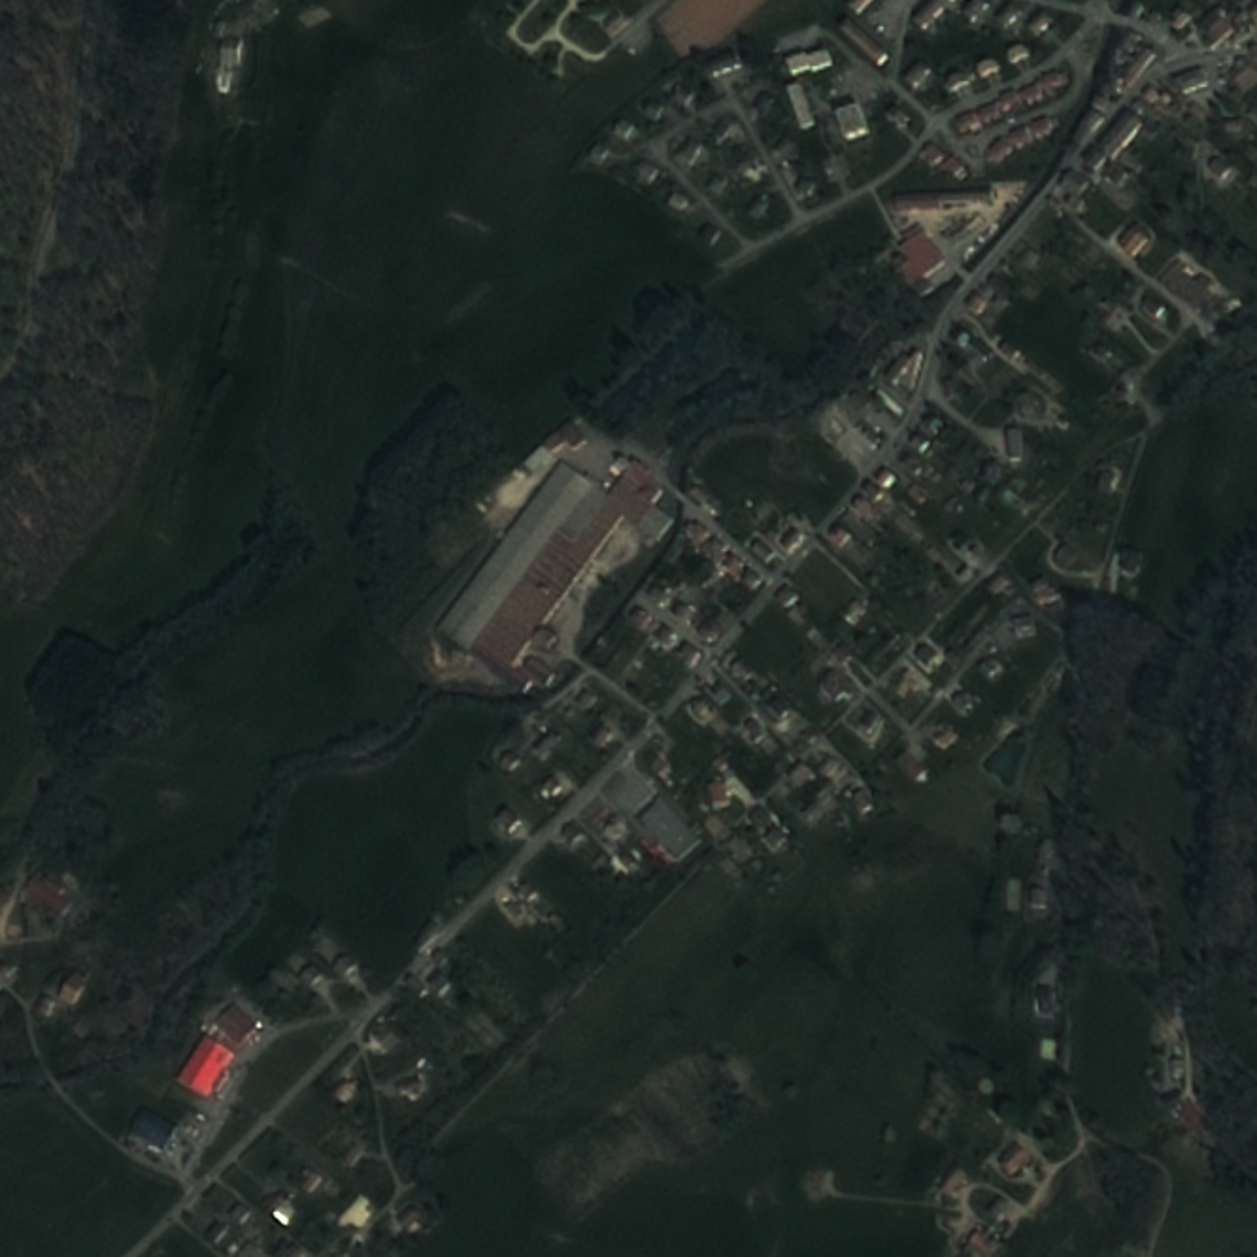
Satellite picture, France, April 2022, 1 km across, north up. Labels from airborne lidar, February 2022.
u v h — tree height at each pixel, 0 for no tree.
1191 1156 0
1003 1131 0
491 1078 13
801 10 0
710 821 0
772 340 0
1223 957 9
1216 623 22
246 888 20
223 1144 0
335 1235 10
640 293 0
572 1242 0
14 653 0
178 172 0
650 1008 0
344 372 0
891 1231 0
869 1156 0
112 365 38
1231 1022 0
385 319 0
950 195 0
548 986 0
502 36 0
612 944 13
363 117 0
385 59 0
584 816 0
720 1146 0
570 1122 0
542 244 0
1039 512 0
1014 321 0
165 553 0
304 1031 0
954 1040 0
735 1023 0
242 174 0
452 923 0
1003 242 0
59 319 33
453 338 0
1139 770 0
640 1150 0
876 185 0
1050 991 0
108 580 0
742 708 0
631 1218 0
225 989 0
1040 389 0
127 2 26
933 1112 0
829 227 0
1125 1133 0
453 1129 0
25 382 32
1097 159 0
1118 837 0
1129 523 0
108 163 14
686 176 0
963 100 0
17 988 0
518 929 0
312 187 0
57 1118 0
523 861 0
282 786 11
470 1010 17
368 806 0
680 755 0
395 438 0
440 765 0
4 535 38
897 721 0
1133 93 0
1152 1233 17
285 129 0
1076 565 5
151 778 0
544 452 0
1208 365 19
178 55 30
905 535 0
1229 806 29
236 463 0
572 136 0
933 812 0
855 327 24
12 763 0
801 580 0
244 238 0
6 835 16
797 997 0
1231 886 34
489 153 0
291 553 24
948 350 11
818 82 0
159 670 20
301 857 0
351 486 0
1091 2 0
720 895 0
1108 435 0
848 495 0
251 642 0
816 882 0
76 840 19
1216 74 0
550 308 0
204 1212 0
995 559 0
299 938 0
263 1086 0
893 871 0
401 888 0
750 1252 0
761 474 0
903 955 0
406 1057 0
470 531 0
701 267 0
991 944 26
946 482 0
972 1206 0
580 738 0
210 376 0
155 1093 0
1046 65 0
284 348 0
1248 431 0
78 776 16
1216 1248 0
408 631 0
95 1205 0
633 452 0
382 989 0
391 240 0
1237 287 0
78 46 0
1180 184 0
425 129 0
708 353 20
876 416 0
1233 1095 22
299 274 0
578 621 0
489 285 0
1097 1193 0
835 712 0
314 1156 0
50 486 38
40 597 30
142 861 0
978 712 0
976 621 0
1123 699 34
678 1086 0
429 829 0
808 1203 0
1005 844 9
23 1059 0
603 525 0
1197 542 0
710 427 20
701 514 0
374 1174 14
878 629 0
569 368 0
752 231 0
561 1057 0
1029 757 0
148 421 31
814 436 0
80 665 28
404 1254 0
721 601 0
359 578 0
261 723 0
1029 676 0
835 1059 0
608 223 0
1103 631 35
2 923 0
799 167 7
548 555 0
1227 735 32
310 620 0
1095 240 0
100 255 38
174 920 0
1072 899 30
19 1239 0
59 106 33
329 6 0
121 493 31
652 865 8
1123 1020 0
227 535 0
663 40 0
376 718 0
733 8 0
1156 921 12
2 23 12
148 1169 0
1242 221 0
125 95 35
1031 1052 0
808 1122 0
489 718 0
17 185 29
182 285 0
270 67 0
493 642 0
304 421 0
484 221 0
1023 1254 0
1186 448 0
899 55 0
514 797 0
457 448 24
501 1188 0
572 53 0
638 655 0
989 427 0
